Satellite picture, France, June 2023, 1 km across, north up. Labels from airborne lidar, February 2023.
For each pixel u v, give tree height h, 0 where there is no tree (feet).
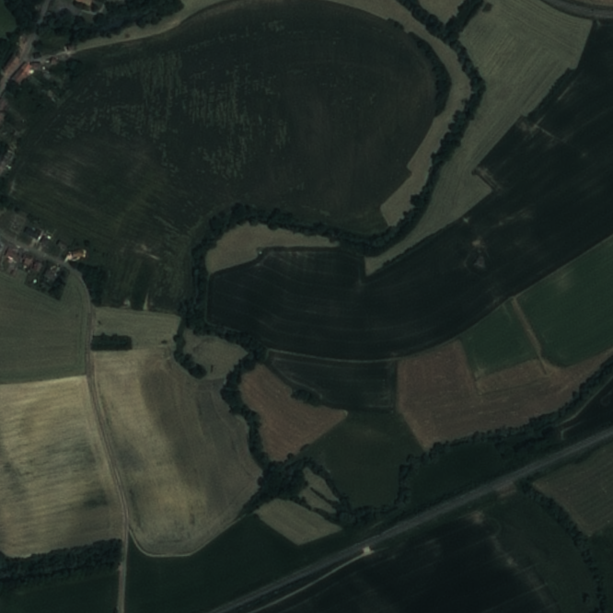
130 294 0
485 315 0
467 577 0
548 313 0
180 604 0
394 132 0
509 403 0
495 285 0
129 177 0
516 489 0
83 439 0
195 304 32
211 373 0
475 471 0
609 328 0
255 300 0
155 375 0
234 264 0
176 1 53
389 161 0
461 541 0
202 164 0
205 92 0
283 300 0
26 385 0
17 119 0
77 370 0
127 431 0
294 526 0
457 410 0
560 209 0
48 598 0
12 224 0
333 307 0
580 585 0
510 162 0
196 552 0
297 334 0
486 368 0
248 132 0
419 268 0
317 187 0
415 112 0
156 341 0
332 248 0
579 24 0
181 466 0
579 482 0
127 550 0
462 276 0
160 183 0
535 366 0
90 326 0
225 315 0
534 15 0
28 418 0
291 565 0
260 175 0
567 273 0
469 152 0
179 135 0
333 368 0
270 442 0
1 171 0
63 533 0
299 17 0
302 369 0
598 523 0
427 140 0
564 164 0
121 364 0
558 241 0
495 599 0
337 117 0
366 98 0
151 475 0
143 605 0
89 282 50
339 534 0
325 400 0
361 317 0
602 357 0
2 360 0
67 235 0
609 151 0
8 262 0
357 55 0
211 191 0
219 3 0
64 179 0
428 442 0
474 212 0
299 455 0
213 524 0
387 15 0
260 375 0
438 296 0
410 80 0
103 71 0
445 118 0
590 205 0
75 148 0
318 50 0
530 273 0
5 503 0
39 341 0
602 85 0
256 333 0
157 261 0
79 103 0
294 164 0
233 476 0
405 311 0
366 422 0
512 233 0
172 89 0
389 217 0
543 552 0
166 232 0
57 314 0
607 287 0
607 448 0
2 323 0
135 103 0
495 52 0
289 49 0
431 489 0
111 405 0
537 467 0
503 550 0
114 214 0
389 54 0
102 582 0
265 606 0
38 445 0
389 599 0
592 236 0
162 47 0
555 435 49
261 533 0
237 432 0
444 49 0
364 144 0
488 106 0
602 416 0
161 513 0
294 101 0
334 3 0
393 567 0
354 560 0
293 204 0
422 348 0
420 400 0
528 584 0
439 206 0
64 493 0
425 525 0
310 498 0
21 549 0
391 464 0
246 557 0
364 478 0
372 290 0
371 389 0
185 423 0
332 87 0
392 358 0
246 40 0
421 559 0
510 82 0
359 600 0
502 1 0
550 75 0
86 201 0
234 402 68
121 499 0
